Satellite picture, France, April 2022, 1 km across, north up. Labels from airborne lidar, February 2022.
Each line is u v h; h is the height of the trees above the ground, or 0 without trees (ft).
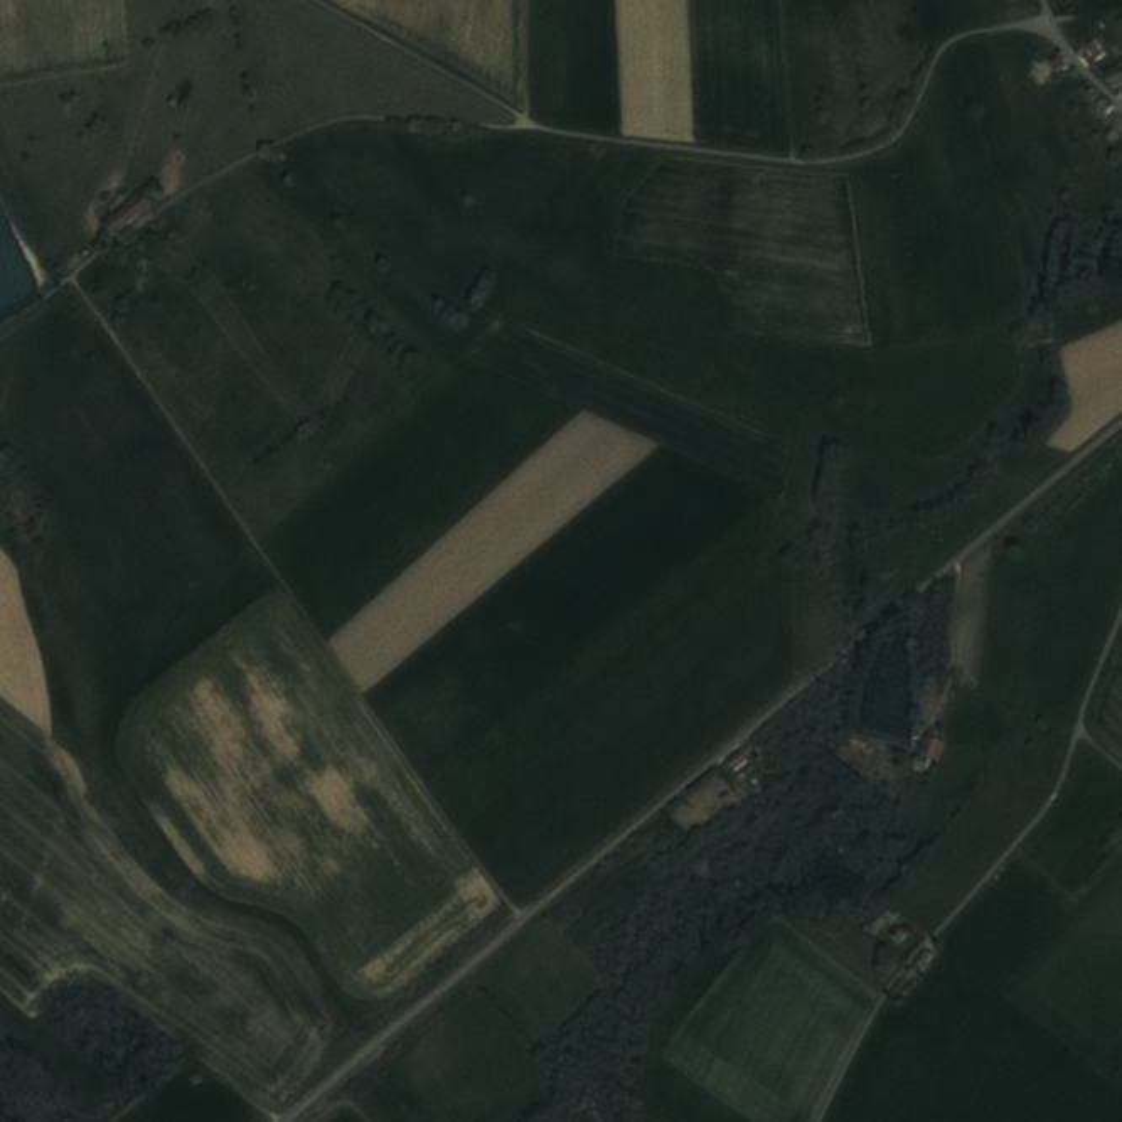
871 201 0
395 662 0
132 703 0
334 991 0
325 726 0
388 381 0
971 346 0
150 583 0
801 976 0
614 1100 85
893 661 0
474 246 0
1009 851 0
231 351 0
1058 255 38
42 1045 0
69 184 0
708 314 0
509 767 0
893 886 29
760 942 0
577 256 0
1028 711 0
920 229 0
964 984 0
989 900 0
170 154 0
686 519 0
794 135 0
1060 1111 0
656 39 0
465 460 0
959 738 0
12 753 0
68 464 0
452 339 0
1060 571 0
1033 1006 0
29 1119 94
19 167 0
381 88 0
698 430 0
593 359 0
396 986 0
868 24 0
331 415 28
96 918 0
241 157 0
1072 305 67
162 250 0
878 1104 0
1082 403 0
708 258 0
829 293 0
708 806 0
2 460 42
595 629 0
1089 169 0
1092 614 0
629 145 0
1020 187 0
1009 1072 0
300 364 0
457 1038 0
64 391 0
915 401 0
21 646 0
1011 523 0
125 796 0
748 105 0
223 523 0
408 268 0
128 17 0
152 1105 0
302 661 0
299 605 0
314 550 0
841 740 53
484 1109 0
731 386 0
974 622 0
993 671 0
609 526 0
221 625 0
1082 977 0
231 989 0
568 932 0
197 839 0
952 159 0
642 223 0
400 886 0
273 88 0
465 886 0
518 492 0
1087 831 0
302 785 0
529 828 0
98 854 0
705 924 65
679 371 0
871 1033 0
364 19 0
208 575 0
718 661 0
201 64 0
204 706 0
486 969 0
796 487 0
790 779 29
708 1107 0
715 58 0
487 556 0
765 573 0
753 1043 0
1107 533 0
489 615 0
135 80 0
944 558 0
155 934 0
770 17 0
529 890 0
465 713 0
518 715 0
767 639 0
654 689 0
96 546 0
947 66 0
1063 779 0
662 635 0
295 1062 0
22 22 0
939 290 0
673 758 0
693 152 0
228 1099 0
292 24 0
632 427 0
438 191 0
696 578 0
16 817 0
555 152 0
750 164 0
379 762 0
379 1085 0
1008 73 0
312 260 0
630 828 0
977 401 0
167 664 0
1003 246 0
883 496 0
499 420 0
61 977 0
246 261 0
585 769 0
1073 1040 0
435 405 0
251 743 0
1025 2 0
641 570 0
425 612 0
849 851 77
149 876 0
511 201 0
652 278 0
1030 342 49
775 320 0
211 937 0
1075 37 0
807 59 0
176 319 0
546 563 0
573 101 0
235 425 0
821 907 73
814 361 0
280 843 0
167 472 0
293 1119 0
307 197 0
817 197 0
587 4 0
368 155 0
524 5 0
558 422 0
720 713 0
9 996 0
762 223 0
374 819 0
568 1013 0
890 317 0
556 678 0
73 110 0
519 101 0
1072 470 0
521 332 0
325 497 0
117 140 0
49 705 0
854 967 0
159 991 0
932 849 21
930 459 0
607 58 0
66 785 0
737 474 0
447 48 0
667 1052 0
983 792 0
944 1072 0
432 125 32
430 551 0
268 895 0
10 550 0
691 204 0
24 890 0
